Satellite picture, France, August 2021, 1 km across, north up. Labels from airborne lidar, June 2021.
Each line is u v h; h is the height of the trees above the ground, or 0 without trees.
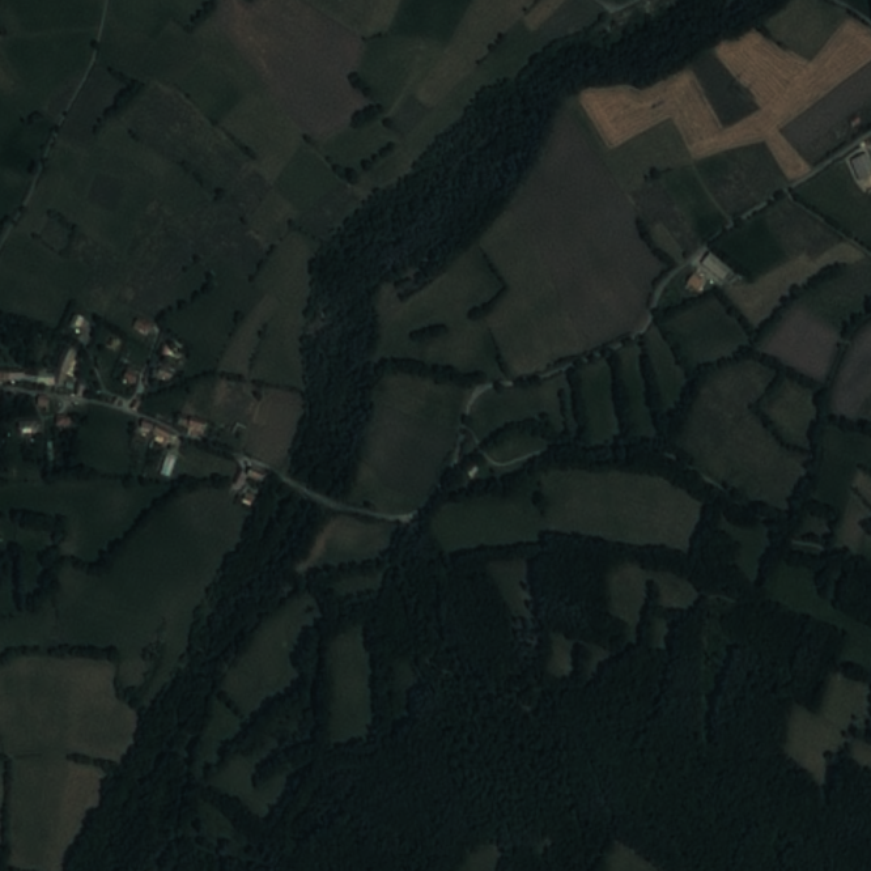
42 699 0
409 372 15
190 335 0
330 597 19
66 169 0
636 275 0
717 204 0
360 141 0
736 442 0
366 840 24
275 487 15
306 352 11
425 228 15
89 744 0
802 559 20
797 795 23
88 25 0
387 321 0
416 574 7
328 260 17
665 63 23
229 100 0
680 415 17
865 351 0
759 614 14
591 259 0
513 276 0
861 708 0
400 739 23
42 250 0
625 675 17
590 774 15
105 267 0
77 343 10
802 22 0
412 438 0
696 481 17
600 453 15
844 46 0
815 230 0
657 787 15
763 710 26
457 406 0
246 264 0
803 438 0
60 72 0
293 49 0
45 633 0
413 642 17
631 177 0
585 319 0
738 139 0
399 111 0
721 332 0
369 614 15
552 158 0
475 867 0
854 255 0
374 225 20
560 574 24
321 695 23
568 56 17
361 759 19
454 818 15
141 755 21
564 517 0
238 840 0
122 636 0
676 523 0
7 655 12
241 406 0
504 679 13
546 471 13
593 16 0
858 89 0
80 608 0
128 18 0
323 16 0
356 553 0
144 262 0
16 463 0
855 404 0
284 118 0
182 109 0
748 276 13
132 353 0
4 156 0
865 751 0
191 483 16
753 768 18
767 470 0
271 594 19
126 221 0
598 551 27
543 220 0
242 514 0
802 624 16
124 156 0
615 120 0
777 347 0
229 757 19
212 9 10
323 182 0
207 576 0
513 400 0
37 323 8
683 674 21
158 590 0
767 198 0
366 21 0
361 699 0
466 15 0
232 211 0
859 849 24
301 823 11
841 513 9
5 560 14
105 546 0
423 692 18
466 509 0
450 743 22
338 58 0
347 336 13
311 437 16
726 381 0
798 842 20
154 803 25
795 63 0
